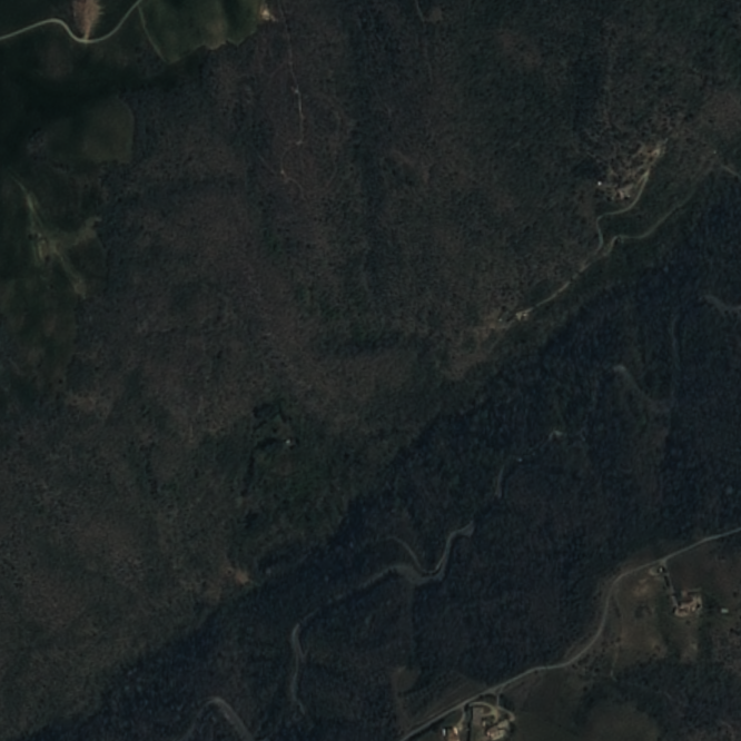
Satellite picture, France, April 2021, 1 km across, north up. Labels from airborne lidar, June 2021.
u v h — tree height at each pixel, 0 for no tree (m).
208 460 10
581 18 7
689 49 9
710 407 17
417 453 15
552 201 7
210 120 9
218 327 9
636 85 11
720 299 8
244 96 13
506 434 18
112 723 17
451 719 0
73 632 11
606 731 0
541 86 13
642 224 9
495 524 12
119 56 0
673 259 22
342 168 7
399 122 9
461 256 7
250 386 6
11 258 0
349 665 12
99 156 0
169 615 13
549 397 16
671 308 15
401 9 7
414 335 8
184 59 0
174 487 7
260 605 9
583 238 8
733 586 0
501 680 7
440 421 14
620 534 9
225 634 7
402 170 7
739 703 9
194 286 8
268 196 7
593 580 0
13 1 0
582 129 5
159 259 13
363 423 12
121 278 9
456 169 7
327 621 12
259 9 0
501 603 8
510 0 6
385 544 8
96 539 8
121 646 8
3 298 0
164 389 8
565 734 0
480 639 11
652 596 0
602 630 0
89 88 0
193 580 12
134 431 6
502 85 7
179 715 13
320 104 6
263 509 9
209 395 9
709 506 9
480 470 11
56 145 0
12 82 0
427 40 10
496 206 9
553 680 0
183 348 9
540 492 11
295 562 6
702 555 0
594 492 8
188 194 12
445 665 7
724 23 11
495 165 9
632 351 16
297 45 9
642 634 0
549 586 9
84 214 0
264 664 12
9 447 6
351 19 10
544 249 11
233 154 7
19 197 0
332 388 7
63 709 15
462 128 9
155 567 11
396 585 7
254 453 11
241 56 6
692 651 0
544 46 8
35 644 15
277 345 7
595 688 7
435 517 22
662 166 10
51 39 0
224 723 10
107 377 6
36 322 0
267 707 12
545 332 19
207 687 12
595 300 19
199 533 11
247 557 23
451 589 7
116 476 7
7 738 13
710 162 7
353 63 13
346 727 10
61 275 0
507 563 11
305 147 7
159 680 16
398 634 10
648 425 11
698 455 8
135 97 6
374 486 21
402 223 8
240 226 8
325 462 10
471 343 8
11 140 0
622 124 11
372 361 7
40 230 0
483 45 6
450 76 7
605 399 12
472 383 15
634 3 10
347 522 19
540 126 9
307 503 12
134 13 0
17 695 13
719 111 6
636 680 11
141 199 10
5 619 10
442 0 7
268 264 7
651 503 8
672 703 11
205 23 0
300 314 7
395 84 6
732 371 14
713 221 7
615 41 8
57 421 7
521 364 17
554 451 9
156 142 6
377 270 7
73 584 10
